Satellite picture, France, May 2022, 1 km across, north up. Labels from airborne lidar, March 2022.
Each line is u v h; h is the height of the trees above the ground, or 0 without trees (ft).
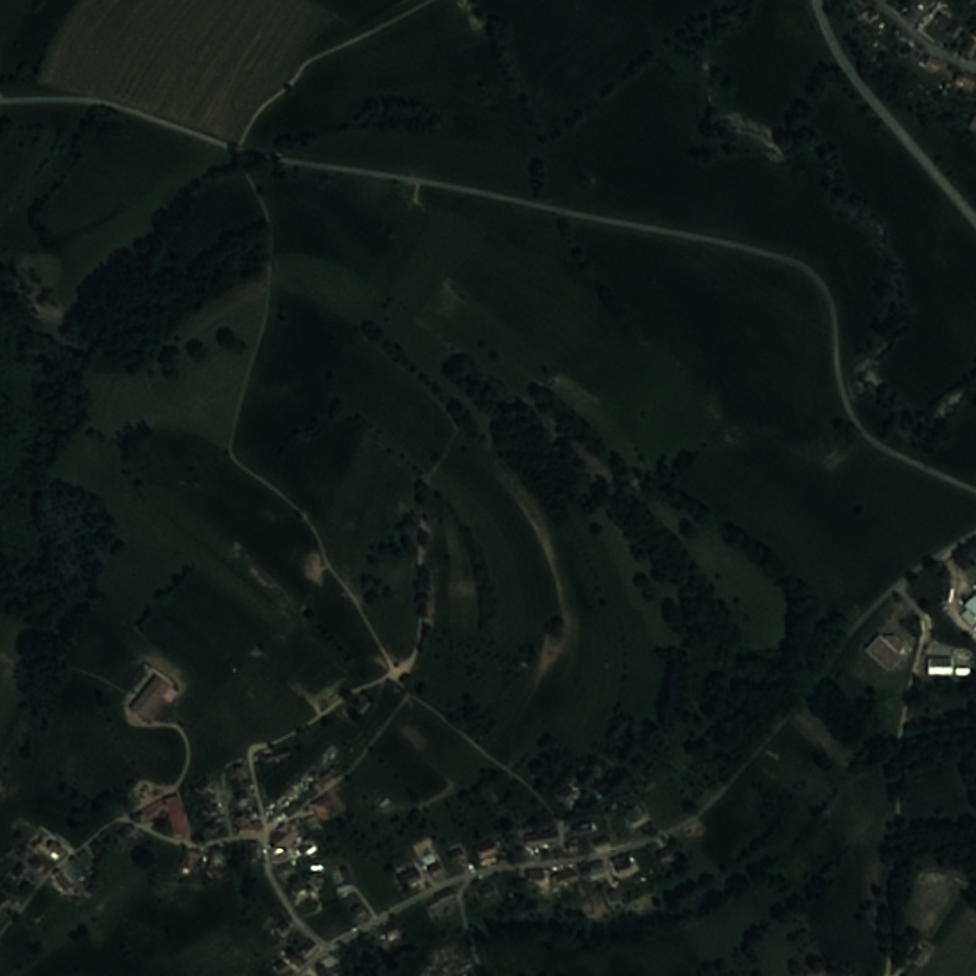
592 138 0
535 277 0
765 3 0
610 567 0
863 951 0
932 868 0
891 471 0
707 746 46
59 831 0
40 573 87
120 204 0
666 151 0
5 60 0
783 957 0
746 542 77
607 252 0
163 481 0
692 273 0
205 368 0
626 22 0
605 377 0
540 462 58
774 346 0
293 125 0
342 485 0
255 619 0
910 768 52
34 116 0
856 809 0
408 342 0
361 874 0
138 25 0
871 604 0
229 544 0
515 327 0
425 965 0
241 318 0
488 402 56
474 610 0
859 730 84
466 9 0
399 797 0
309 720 0
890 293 49
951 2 0
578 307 0
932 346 0
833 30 0
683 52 27
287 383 0
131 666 0
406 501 0
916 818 0
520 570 0
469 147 0
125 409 0
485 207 0
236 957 0
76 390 54
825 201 0
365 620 0
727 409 0
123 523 0
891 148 0
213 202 0
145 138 0
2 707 0
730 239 0
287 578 0
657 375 0
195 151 0
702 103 0
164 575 0
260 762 19
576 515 0
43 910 0
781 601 0
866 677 0
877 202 0
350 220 0
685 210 0
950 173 27
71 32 0
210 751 0
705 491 0
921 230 0
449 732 0
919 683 42
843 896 0
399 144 0
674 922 54
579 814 26
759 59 0
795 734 0
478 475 0
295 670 0
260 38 0
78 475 0
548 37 0
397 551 61
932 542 0
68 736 0
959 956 0
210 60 0
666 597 0
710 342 0
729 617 46
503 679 0
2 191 0
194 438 0
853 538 0
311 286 0
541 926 48
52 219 0
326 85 0
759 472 0
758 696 77
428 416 0
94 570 81
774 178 0
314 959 0
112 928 0
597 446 60
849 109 0
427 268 0
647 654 0
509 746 0
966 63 0
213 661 0
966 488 0
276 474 0
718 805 0
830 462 0
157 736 0
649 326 0
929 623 0
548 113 0
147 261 91
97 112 39
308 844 0
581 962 0
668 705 53
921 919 0
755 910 0
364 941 27
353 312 0
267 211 0
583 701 0
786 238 0
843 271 0
